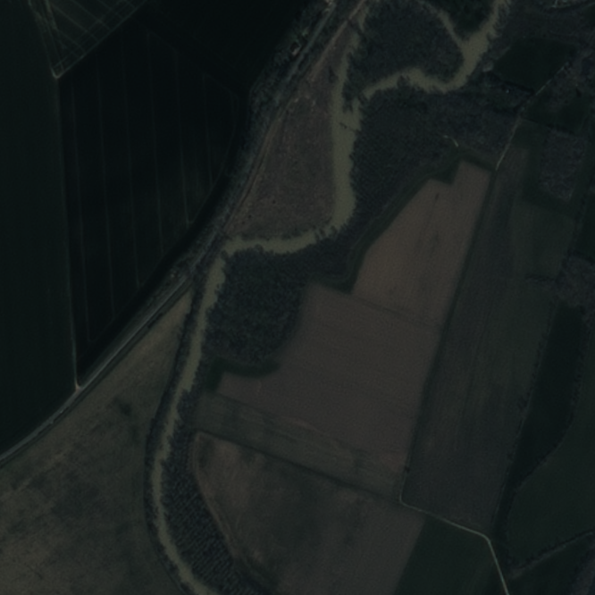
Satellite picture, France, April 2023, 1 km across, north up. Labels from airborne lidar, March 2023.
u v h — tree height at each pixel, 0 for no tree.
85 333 0
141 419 0
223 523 0
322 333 0
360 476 0
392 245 0
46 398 0
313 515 0
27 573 0
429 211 0
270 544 0
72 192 0
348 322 0
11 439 0
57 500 0
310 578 0
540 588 0
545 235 0
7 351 0
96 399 0
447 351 0
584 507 0
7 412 0
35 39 0
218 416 0
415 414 0
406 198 0
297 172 0
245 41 0
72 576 0
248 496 0
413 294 0
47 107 0
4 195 0
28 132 0
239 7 0
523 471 0
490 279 0
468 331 0
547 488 0
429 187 0
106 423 0
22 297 0
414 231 0
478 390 0
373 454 0
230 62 0
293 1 0
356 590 0
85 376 0
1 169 0
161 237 0
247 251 0
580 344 0
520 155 0
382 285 0
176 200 0
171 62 0
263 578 0
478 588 0
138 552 0
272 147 0
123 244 0
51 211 0
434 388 0
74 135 0
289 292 17
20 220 0
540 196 0
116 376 0
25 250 0
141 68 0
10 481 0
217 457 0
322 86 0
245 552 0
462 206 0
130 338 0
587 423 0
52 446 0
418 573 0
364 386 0
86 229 0
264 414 0
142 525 0
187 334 12
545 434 0
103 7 0
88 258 0
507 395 0
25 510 0
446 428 0
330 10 0
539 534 0
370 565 0
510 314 0
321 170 0
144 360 0
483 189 0
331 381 0
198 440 0
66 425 0
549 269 0
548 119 0
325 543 0
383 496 0
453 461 0
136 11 0
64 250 0
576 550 0
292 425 0
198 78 0
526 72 0
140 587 0
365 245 0
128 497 0
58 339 0
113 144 0
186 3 0
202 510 21
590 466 0
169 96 0
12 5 0
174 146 0
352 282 0
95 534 0
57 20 0
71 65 0
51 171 0
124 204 0
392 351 0
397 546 0
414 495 0
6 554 0
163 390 0
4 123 0
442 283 0
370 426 0
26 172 0
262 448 0
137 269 0
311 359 0
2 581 0
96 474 0
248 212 0
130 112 0
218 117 0
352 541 0
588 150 0
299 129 0
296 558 0
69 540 0
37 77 0
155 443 13
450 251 0
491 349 0
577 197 0
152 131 0
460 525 0
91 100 0
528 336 0
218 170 0
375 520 0
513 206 0
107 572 0
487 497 0
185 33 0
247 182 16
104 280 0
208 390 0
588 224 0
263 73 0
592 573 11
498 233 0
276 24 0
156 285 0
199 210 0
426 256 0
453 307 0
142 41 0
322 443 0
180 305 0
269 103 13
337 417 0
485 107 10
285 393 0
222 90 0
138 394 0
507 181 0
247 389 0
